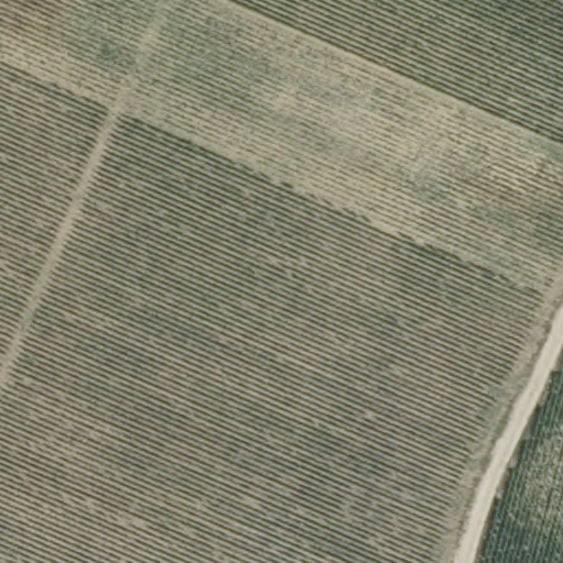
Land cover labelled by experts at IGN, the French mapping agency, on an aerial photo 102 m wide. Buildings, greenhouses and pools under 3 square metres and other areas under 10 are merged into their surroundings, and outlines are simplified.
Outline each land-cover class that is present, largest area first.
<instances>
[{"label":"vineyard","instance_id":"1","mask_svg":"<svg viewBox=\"0 0 563 563\"><path fill-rule=\"evenodd\" d=\"M563 306V0H0V563H455V554L460 550L468 523L471 508L475 504L477 488L493 460L495 444L499 442L510 422L512 409L534 372L543 345L548 343V336L552 332V323ZM475 563H563V350L559 354L556 367L548 378L545 391L537 402L528 420V427L521 433L515 455L504 473L501 486L493 499Z\"/></svg>","mask_w":563,"mask_h":563},{"label":"pervious surface","instance_id":"2","mask_svg":"<svg viewBox=\"0 0 563 563\"><path fill-rule=\"evenodd\" d=\"M563 350V306L552 323V332L548 336V343L543 345L534 372L512 409L510 422L499 442L495 444L493 460L477 488L475 504L471 508L468 523L460 550L455 554V563H475L493 499L501 486L504 473L515 455L521 433L528 427V420L537 402L545 391L548 378L556 367L559 354Z\"/></svg>","mask_w":563,"mask_h":563}]
</instances>
